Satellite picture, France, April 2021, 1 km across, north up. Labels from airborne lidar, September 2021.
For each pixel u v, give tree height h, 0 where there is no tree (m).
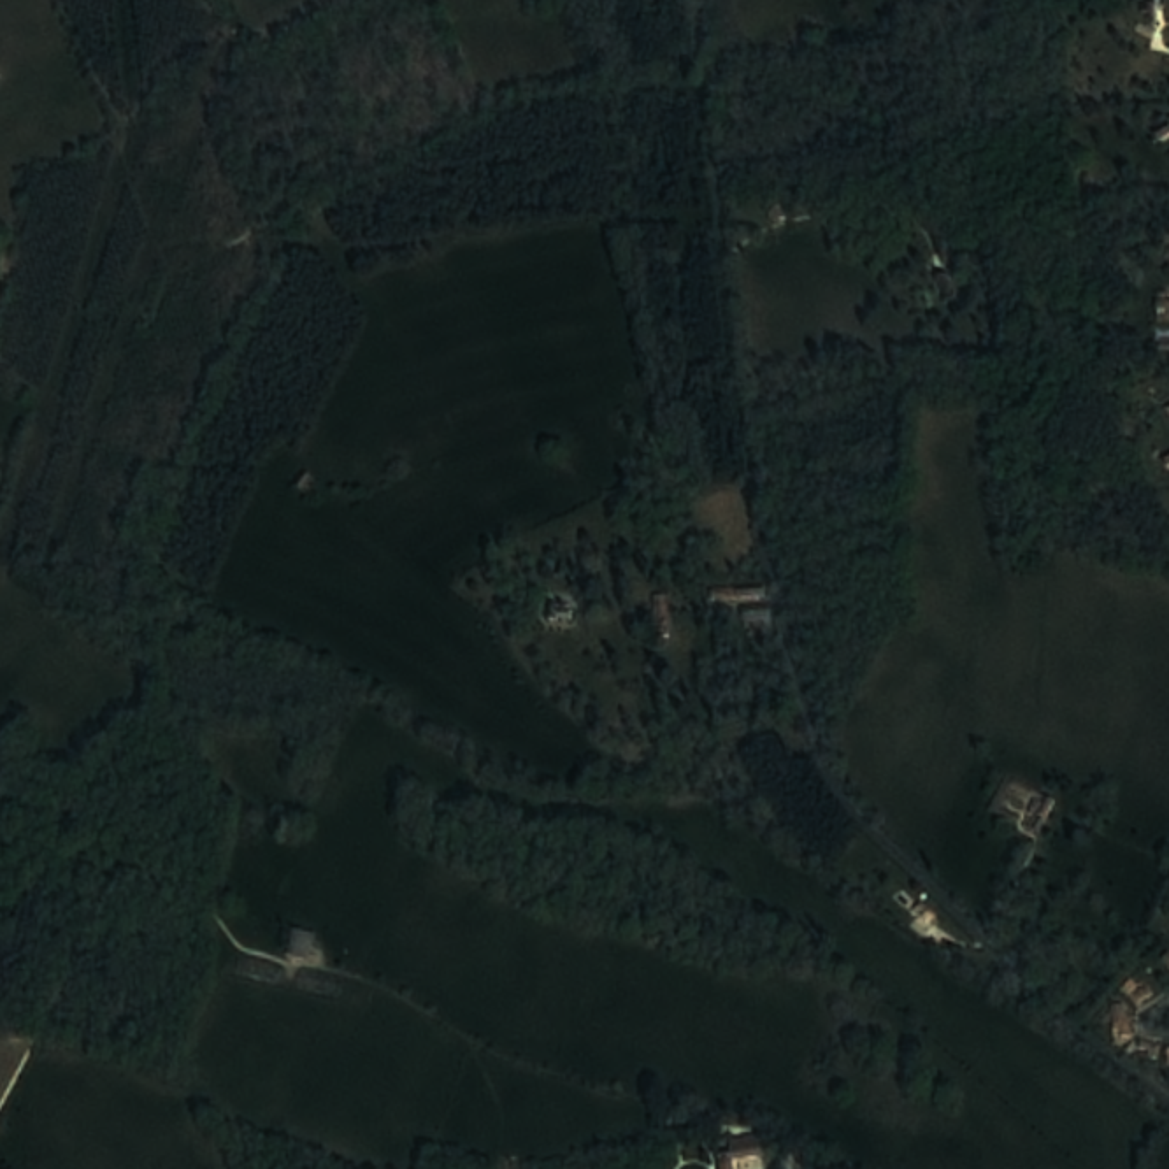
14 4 0
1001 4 16
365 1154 0
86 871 20
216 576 19
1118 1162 0
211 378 19
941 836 0
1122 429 16
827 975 17
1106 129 0
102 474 11
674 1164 14
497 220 21
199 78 13
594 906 22
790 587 20
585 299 0
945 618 0
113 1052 16
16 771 20
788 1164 16
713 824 0
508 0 0
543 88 14
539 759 0
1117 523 12
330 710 18
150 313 9
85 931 22
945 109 16
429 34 21
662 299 19
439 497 0
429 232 21
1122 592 0
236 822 24
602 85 23
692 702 31
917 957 0
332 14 21
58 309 12
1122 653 0
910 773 0
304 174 14
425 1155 16
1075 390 22
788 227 7
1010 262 22
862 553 17
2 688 0
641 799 28
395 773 0
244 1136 16
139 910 27
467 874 23
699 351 15
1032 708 0
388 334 0
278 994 0
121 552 8
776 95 13
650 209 21
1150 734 0
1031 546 15
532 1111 0
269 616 0
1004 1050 0
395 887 0
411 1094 0
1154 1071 18
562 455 20
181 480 22
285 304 19
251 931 0
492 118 20
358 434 0
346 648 0
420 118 18
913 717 0
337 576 0
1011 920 15
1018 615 0
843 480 15
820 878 12
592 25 25
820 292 0
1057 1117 0
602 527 0
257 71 16
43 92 0
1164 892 16
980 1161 0
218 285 9
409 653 0
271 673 19
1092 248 17
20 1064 0
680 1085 0
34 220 12
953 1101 25
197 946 21
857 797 9
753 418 18
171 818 22
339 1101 0
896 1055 19
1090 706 0
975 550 0
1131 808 0
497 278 0
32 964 23
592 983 0
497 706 0
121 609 22
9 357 12
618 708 0
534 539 0
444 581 0
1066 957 23
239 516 20
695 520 12
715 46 18
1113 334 11
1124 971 20
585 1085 7
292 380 20
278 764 0
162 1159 0
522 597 12
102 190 9
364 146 9
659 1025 0
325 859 0
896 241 21
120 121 8
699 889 26
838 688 20
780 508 21
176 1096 0
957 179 22
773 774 20
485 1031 0
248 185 18
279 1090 0
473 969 0
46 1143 0
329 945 0
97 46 13
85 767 26
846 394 17
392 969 0
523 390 0
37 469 0
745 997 0
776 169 20
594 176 22
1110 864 0
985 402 23
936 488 0
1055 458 22
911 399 23
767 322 0
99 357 11
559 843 28
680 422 24
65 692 0
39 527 13
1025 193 16
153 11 12
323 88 23
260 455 23
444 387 0
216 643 19
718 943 24
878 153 23
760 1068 0
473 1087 0
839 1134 0
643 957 0
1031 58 19
